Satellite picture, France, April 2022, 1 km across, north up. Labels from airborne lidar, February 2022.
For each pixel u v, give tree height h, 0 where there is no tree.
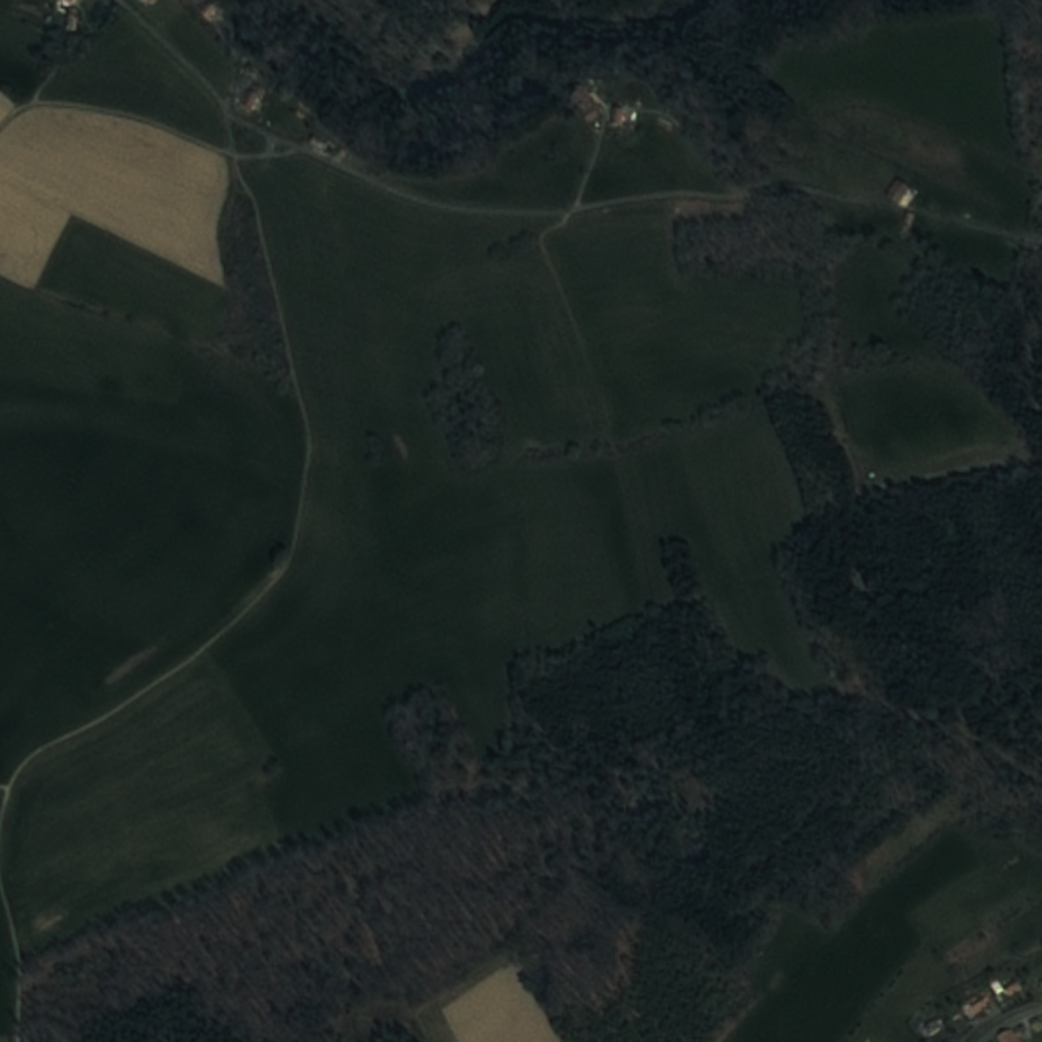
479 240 0
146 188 0
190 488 0
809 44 21
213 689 0
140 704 0
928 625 27
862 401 0
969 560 20
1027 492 19
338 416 0
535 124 21
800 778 20
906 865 0
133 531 0
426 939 31
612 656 18
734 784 19
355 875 8
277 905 31
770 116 35
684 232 18
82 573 0
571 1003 25
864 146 0
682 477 0
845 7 33
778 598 0
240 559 0
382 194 0
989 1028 0
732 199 0
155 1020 26
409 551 0
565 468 0
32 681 0
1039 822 14
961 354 11
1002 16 26
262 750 0
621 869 20
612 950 24
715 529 0
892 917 0
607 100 0
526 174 0
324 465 0
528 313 0
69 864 0
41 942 0
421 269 0
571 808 25
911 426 0
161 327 0
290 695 0
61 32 8
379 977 28
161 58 0
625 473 0
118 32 0
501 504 0
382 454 6
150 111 0
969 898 0
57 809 0
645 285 0
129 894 0
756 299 0
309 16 18
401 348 0
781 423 17
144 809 0
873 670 16
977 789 15
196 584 0
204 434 0
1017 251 0
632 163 0
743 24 23
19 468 0
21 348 0
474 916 30
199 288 0
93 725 0
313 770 0
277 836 0
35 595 0
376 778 0
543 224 0
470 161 22
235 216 0
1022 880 0
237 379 0
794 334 0
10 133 0
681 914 16
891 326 0
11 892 0
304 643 0
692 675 21
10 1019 0
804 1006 0
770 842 21
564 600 0
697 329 0
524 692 9
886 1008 0
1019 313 13
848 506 17
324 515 0
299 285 0
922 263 8
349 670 0
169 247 0
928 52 0
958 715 19
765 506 0
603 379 0
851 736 23
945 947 0
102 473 0
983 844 0
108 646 0
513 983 0
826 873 28
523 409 0
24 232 0
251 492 0
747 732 17
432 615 0
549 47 30
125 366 0
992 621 23
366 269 0
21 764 0
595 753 19
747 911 10
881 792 17
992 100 0
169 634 0
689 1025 7
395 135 15
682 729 21
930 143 0
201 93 0
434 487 0
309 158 0
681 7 18
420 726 18
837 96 0
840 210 0
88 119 0
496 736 0
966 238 0
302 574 0
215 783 0
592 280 0
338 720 0
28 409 0
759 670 24
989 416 0
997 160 0
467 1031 0
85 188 0
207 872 0
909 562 29
